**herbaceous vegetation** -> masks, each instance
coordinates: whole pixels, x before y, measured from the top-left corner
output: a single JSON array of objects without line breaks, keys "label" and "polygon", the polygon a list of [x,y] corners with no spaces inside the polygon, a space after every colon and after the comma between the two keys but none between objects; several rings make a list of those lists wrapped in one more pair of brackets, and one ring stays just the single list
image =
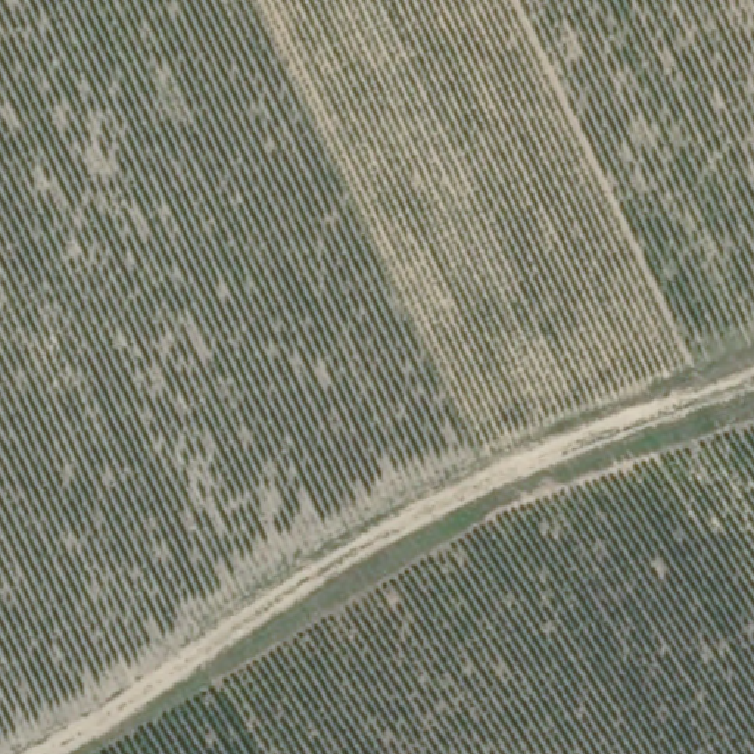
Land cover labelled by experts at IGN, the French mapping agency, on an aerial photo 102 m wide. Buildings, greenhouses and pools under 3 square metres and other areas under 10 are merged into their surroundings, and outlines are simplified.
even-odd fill
[{"label": "herbaceous vegetation", "polygon": [[716,424],[742,421],[754,412],[754,392],[739,395],[727,404],[704,406],[680,421],[648,427],[636,436],[580,454],[568,462],[539,468],[527,477],[504,483],[501,489],[492,489],[489,495],[448,512],[433,524],[406,533],[395,545],[386,545],[362,563],[350,566],[348,571],[330,577],[306,598],[268,619],[262,627],[221,651],[215,660],[194,669],[186,680],[174,683],[133,716],[138,722],[159,722],[162,713],[200,695],[200,689],[221,689],[227,677],[247,672],[274,651],[286,651],[297,630],[315,627],[327,616],[345,616],[350,607],[362,604],[374,589],[380,589],[383,580],[398,580],[415,563],[448,554],[448,539],[462,533],[477,518],[483,518],[489,510],[539,489],[542,483],[571,480],[577,474],[627,459],[633,454],[663,448],[669,442],[695,439],[698,433],[713,430]]}]

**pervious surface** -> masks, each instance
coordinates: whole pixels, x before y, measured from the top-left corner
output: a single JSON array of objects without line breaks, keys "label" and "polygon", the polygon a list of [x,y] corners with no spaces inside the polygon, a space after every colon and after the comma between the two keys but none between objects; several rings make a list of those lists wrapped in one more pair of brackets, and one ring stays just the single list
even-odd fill
[{"label": "pervious surface", "polygon": [[406,533],[433,524],[448,512],[489,495],[492,489],[501,489],[504,483],[527,477],[539,468],[568,462],[580,454],[636,436],[648,427],[680,421],[704,406],[727,404],[739,395],[754,392],[754,365],[716,383],[677,389],[666,398],[580,424],[563,436],[554,436],[521,454],[504,457],[495,465],[409,504],[395,518],[371,527],[368,533],[350,539],[327,557],[306,563],[283,583],[265,589],[256,601],[227,616],[203,639],[174,654],[156,672],[147,672],[121,698],[100,707],[88,719],[71,722],[44,745],[35,745],[24,754],[91,754],[85,742],[109,733],[115,725],[133,716],[174,683],[186,680],[194,669],[215,660],[221,651],[262,627],[268,619],[306,598],[330,577],[348,571],[350,566],[362,563],[386,545],[395,545]]}]

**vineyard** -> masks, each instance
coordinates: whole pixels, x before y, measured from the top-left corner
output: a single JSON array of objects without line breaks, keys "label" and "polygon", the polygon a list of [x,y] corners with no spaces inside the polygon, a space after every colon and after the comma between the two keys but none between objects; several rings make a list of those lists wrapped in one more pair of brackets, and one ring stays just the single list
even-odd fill
[{"label": "vineyard", "polygon": [[677,389],[716,383],[754,365],[754,0],[0,0],[0,754],[24,754],[35,745],[44,745],[71,722],[88,719],[100,707],[121,698],[147,672],[156,672],[174,654],[203,639],[227,616],[256,601],[265,589],[283,583],[306,563],[327,557],[350,539],[368,533],[371,527],[395,518],[409,504],[495,465],[504,457],[521,454],[554,436],[563,436],[580,424],[666,398]]},{"label": "vineyard", "polygon": [[383,580],[380,589],[374,589],[362,604],[350,607],[345,616],[327,616],[315,627],[297,630],[286,651],[274,651],[247,672],[227,677],[221,689],[200,689],[200,695],[162,713],[159,722],[138,722],[133,716],[115,725],[109,733],[85,742],[91,754],[754,754],[754,412],[742,421],[716,424],[713,430],[698,433],[695,439],[669,442],[663,448],[633,454],[627,459],[577,474],[571,480],[542,483],[539,489],[489,510],[483,518],[477,518],[462,533],[448,539],[448,554],[415,563],[398,580]]}]

